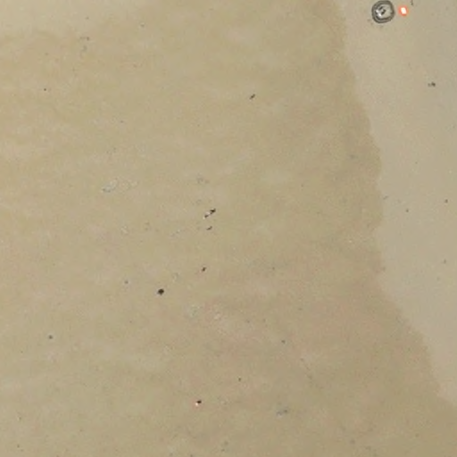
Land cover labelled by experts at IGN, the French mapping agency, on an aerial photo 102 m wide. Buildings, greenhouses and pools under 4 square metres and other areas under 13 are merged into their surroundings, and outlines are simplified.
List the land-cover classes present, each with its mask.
<instances>
[{"label":"bare soil","instance_id":"1","mask_svg":"<svg viewBox=\"0 0 457 457\"><path fill-rule=\"evenodd\" d=\"M0 457H457V0H0Z\"/></svg>","mask_w":457,"mask_h":457}]
</instances>
